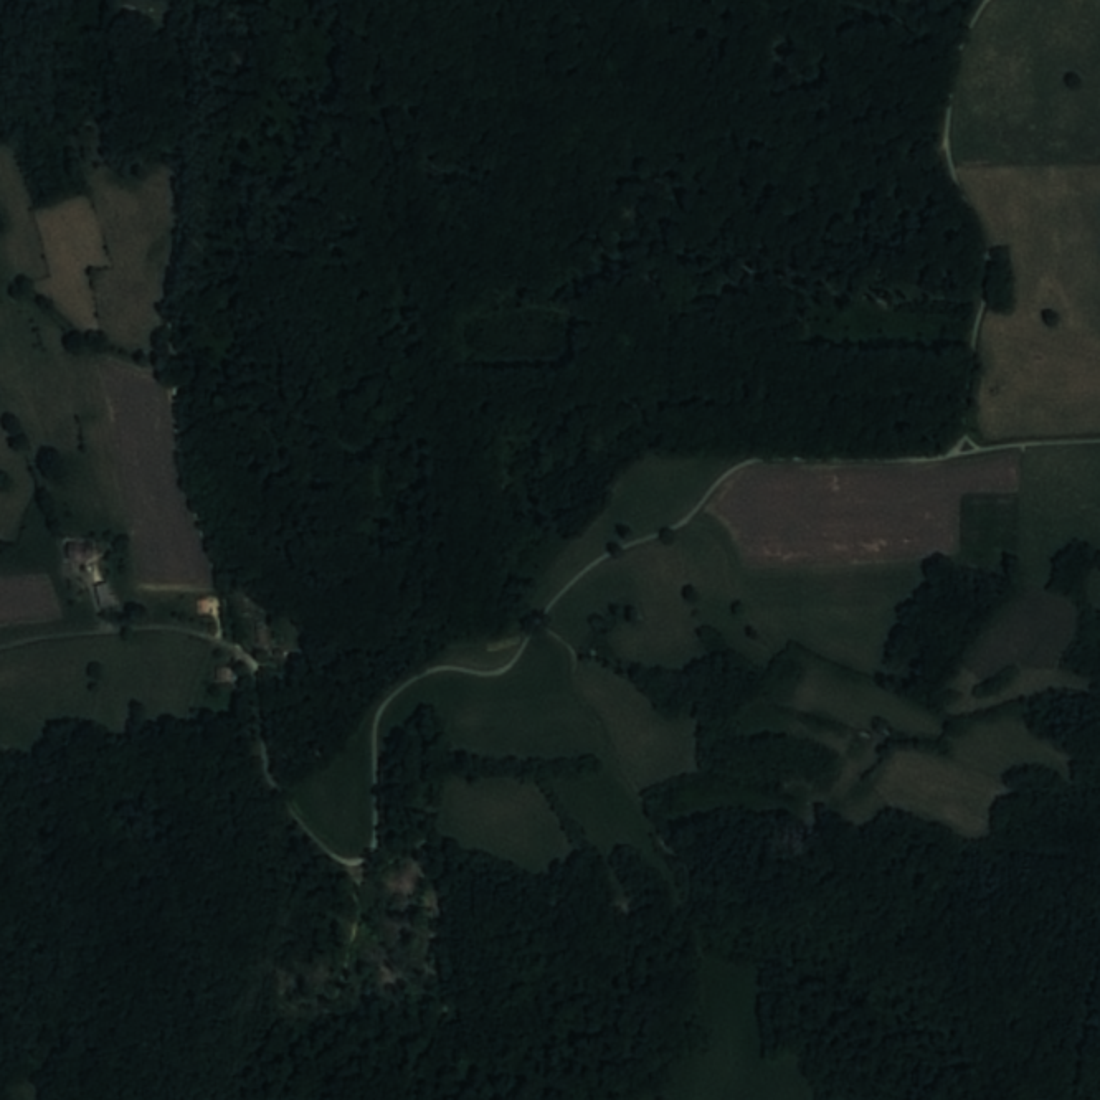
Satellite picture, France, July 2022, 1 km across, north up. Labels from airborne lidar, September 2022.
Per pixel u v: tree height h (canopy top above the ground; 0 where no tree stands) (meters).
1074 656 11
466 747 0
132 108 23
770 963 14
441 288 22
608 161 21
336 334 25
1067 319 0
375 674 20
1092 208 0
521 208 33
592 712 0
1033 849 19
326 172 30
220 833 14
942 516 0
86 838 22
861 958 15
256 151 31
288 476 24
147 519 0
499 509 24
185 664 0
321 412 28
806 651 6
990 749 0
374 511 29
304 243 28
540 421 25
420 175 33
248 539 27
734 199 33
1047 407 0
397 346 23
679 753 0
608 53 27
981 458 0
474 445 21
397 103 23
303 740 21
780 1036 19
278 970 7
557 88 29
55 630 0
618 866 14
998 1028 17
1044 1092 17
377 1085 20
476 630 18
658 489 0
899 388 29
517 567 18
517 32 21
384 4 21
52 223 0
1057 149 0
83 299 0
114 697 0
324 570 29
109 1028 19
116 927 24
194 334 32
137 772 15
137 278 0
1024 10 0
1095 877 24
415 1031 21
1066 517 0
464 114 23
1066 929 12
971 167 0
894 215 29
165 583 0
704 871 20
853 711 0
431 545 20
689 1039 22
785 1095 0
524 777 19
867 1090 18
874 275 25
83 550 0
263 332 26
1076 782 10
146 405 0
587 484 17
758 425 25
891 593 0
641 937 26
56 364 0
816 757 16
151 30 18
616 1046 27
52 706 0
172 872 12
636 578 0
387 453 28
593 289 28
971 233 31
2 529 0
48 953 16
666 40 31
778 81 30
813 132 31
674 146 31
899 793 0
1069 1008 19
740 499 0
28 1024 18
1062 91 0
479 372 24
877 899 18
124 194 0
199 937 11
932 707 14
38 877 23
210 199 30
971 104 0
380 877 6
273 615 10
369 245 29
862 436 21
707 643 8
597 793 0
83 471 0
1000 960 21
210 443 23
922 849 18
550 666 0
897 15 25
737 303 23
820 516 0
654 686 19
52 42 19
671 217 27
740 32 30
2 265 0
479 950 11
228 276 11
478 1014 13
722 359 30
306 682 22
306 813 0
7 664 0
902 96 24
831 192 32
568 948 21
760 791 8
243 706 19
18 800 22
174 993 19
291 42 29
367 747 0
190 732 19
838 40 29
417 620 31
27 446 20
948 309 11
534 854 0
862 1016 25
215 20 16
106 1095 19
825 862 18
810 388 25
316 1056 12
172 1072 14
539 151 31
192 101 21
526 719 0
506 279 27
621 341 28
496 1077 9
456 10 28
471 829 0
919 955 19
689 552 0
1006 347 0
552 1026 19
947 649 19
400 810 18
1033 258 0
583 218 27
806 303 29
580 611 0
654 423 21
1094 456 0
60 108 17
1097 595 0
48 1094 20
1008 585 13
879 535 0
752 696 21
